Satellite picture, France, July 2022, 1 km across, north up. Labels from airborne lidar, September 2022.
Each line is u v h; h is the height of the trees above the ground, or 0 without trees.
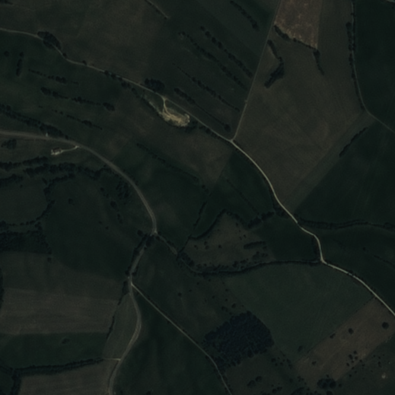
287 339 0
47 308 0
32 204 0
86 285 0
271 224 0
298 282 0
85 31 0
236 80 16
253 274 0
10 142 8
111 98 0
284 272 0
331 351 0
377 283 0
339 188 0
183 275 0
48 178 0
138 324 0
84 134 0
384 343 0
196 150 0
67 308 0
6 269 0
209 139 0
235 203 0
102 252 0
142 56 0
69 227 0
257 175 0
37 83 0
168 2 0
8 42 0
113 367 0
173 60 0
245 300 0
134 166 0
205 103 0
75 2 0
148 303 0
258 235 0
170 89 0
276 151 0
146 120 0
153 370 0
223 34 0
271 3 0
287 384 0
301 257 0
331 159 0
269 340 21
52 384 0
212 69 0
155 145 0
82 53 0
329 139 0
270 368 0
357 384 0
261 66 0
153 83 17
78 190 0
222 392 0
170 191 0
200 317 0
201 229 0
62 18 0
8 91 0
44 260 0
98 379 0
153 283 0
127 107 0
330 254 0
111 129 0
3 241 12
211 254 0
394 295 0
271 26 0
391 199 0
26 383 0
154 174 0
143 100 5
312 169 0
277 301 0
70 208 0
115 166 0
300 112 0
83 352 0
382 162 0
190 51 0
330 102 0
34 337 0
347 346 0
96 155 0
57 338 0
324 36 0
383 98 0
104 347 0
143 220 0
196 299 0
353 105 0
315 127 0
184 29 0
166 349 0
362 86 0
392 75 0
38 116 0
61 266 0
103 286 0
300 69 0
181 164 0
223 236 0
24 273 0
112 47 0
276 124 0
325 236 0
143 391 0
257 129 0
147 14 0
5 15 0
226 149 0
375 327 0
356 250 0
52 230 0
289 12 0
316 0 0
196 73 0
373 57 0
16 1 0
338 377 0
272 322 0
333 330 0
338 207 0
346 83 0
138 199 0
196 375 0
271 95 0
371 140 0
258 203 0
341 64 0
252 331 24
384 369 0
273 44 16
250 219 0
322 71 8
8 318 0
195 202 0
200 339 0
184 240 0
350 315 0
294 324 0
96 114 0
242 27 0
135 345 0
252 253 0
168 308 0
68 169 20
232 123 0
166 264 0
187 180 0
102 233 0
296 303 0
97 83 0
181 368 0
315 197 0
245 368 0
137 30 0
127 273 13
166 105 0
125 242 0
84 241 0
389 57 0
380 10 0
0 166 15
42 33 6
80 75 0
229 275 8
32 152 0
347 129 0
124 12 0
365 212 0
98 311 0
